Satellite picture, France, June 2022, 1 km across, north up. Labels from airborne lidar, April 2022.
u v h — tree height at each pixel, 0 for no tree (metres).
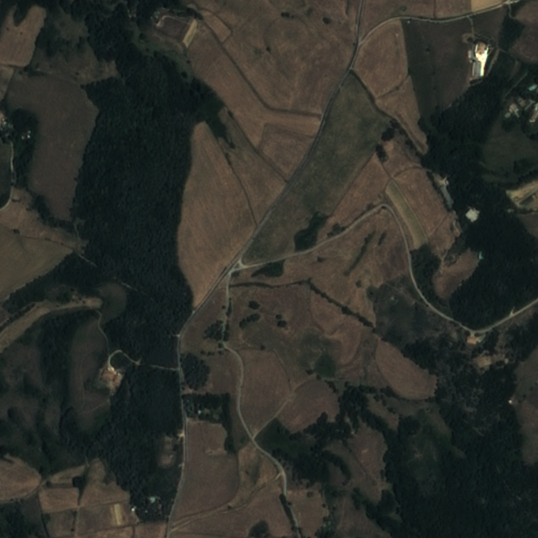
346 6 0
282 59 0
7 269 0
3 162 0
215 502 0
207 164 0
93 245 8
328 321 0
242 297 0
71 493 0
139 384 13
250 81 0
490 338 8
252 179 0
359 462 0
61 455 0
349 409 9
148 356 8
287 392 0
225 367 0
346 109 0
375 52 0
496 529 12
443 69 0
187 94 12
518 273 16
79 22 0
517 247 13
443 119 10
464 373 8
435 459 0
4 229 0
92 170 12
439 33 0
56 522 0
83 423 0
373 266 0
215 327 8
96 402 0
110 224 18
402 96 0
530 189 0
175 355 7
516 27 8
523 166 10
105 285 0
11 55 0
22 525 16
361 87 0
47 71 0
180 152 15
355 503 8
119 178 17
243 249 0
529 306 0
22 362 0
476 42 9
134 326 14
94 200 8
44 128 0
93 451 6
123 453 11
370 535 0
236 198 0
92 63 0
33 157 10
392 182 0
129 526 0
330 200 0
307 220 0
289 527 0
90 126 0
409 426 10
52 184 0
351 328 0
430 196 0
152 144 22
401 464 18
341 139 0
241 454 0
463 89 0
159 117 23
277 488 0
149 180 17
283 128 0
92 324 0
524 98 17
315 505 0
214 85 0
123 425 10
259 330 0
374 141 0
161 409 13
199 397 10
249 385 0
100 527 0
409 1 0
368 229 0
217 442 0
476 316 9
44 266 0
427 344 9
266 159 0
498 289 14
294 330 0
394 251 0
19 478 0
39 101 0
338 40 0
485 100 17
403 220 0
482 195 16
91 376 0
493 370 11
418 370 0
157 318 16
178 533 0
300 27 0
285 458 7
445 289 0
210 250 0
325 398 0
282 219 0
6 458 0
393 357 0
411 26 0
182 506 0
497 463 8
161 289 15
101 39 16
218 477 0
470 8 0
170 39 0
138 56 10
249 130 0
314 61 0
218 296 0
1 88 0
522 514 12
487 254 14
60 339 9
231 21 0
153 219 14
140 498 9
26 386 7
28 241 0
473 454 10
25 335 0
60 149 0
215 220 0
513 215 13
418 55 0
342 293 0
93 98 11
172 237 10
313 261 0
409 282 0
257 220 0
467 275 0
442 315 0
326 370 0
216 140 0
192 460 0
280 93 0
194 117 10
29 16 0
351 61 0
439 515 10
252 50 0
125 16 20
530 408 0
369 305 0
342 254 0
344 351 0
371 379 0
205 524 0
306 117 0
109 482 0
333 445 0
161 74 18
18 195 0
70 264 10
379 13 0
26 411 0
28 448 0
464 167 14
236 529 0
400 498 15
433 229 0
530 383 0
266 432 0
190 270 0
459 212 14
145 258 19
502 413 7
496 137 0
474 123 10
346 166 0
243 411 0
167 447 0
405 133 6
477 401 6
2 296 0
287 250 0
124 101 21
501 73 7
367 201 0
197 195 0
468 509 15
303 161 0
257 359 0
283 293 0
